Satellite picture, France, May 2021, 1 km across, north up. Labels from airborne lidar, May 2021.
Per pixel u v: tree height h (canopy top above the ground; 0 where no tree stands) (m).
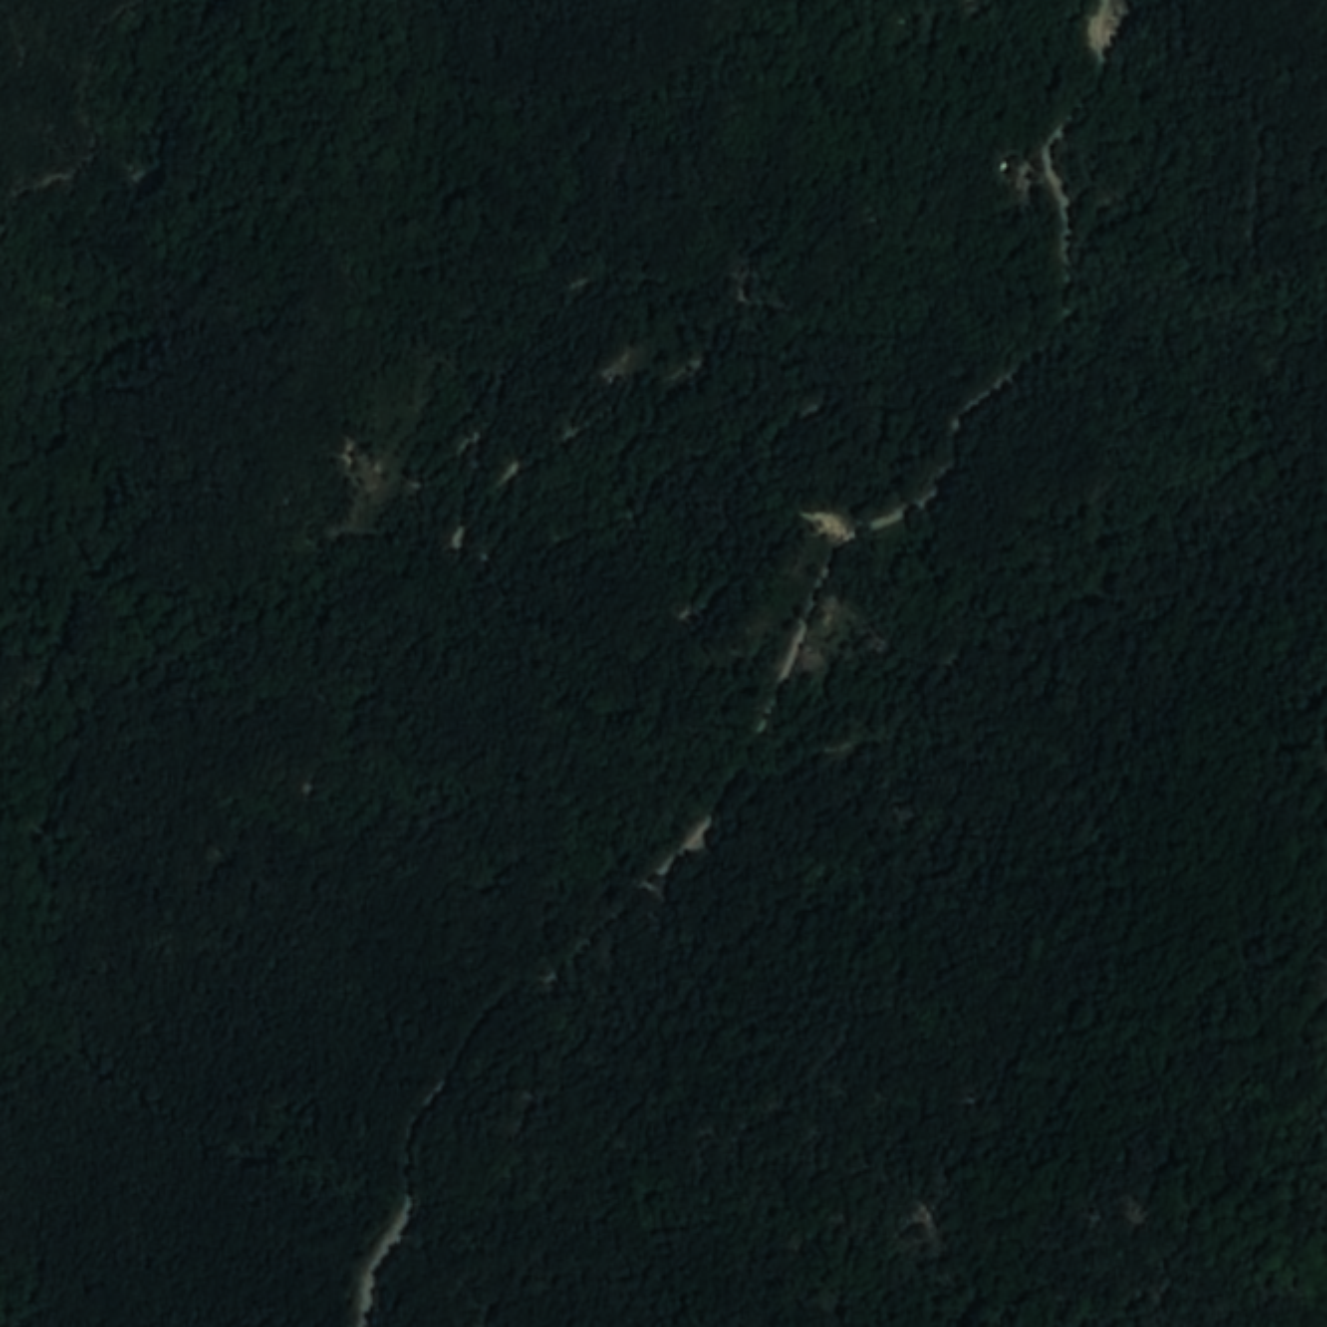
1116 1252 10
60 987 21
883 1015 12
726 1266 18
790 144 15
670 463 10
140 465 22
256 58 23
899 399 22
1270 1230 15
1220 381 13
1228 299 13
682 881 13
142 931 16
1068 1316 16
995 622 18
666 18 14
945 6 17
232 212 13
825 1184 15
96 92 9
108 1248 16
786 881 12
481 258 16
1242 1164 17
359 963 15
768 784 14
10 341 9
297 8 17
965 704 13
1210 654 16
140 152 13
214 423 19
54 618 19
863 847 18
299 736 16
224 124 22
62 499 26
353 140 12
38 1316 13
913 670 12
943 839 16
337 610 22
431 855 17
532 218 14
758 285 15
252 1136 22
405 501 8
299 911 16
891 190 13
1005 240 23
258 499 13
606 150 17
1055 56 21
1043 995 14
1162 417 18
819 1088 8
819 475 19
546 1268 11
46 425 20
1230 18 10
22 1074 24
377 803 15
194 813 18
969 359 21
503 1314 16
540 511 8
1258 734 27
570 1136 13
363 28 14
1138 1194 12
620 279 15
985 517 16
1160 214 16
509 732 13
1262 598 18
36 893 18
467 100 19
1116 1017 23
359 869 18
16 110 10
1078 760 15
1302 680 12
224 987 14
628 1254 17
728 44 13
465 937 14
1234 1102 12
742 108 12
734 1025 14
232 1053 15
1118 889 25
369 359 14
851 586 10
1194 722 26
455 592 16
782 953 14
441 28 25
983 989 18
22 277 13
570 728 15
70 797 20
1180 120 18
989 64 20
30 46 6
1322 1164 10
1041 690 10
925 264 24
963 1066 14
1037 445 13
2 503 20
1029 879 15
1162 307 11
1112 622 17
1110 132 22
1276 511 18
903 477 13
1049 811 13
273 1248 13
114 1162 19
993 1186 19
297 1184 18
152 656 17
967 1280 18
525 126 16
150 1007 15
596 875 14
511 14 18
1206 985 28
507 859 15
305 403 12
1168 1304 11
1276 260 12
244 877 20
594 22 17
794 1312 14
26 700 10
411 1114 14
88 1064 12
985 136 17
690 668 18
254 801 11
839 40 16
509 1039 14
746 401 17
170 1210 15
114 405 20
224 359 24
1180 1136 16
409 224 22
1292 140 17
